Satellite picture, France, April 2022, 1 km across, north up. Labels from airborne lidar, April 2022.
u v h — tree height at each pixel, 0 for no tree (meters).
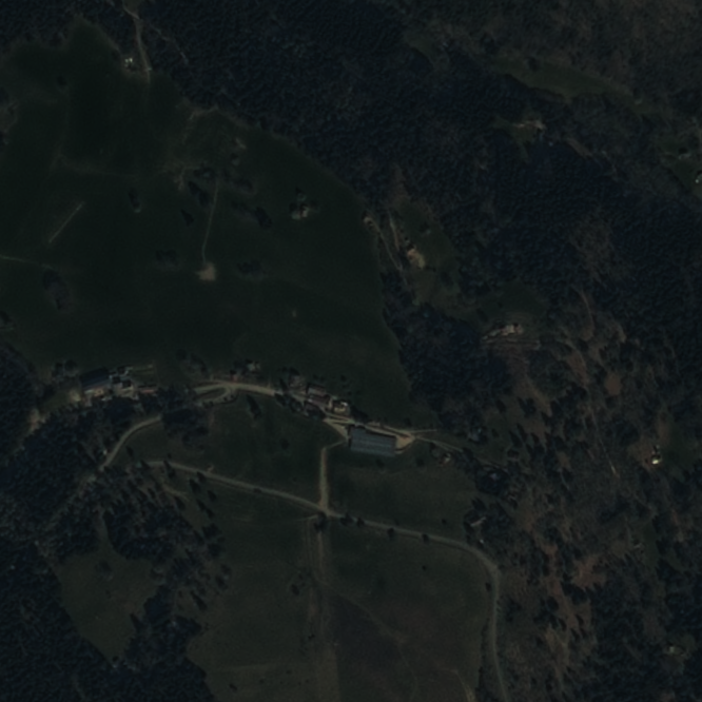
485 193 26
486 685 11
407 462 0
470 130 30
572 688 20
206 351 0
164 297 0
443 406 21
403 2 29
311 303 0
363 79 27
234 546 0
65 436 22
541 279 21
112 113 0
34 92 0
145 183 0
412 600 0
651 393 16
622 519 10
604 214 29
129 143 0
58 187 0
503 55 9
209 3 33
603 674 23
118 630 0
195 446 20
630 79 24
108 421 20
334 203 0
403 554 0
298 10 33
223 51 38
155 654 16
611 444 19
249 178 0
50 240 0
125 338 0
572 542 10
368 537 0
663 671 22
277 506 0
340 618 0
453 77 26
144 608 0
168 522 22
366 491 0
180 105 0
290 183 0
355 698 0
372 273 0
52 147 0
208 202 23
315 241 0
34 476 28
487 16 17
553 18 17
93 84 0
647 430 7
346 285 0
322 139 29
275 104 31
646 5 16
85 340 0
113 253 0
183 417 28
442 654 0
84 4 24
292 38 36
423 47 0
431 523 0
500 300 0
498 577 0
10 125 0
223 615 0
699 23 15
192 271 0
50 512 27
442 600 0
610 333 13
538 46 30
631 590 18
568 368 17
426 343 26
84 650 25
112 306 0
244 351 0
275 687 0
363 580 0
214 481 0
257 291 0
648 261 32
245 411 0
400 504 0
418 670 0
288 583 0
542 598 9
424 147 31
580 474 19
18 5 27
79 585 0
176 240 0
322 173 0
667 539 10
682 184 17
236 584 0
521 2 11
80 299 0
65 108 0
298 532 0
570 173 31
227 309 0
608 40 17
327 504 0
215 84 27
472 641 0
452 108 32
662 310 31
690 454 0
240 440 0
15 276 0
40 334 0
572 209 34
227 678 0
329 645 0
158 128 0
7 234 0
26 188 0
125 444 0
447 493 0
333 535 0
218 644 0
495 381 26
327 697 0
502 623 10
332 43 32
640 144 30
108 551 0
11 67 0
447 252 0
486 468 19
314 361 0
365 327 0
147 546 18
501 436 12
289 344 0
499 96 38
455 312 0
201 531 0
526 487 14
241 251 0
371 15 31
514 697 9
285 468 0
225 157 0
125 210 0
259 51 35
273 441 0
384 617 0
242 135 0
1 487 28
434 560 0
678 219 32
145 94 0
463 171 32
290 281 0
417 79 28
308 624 0
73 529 29
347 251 0
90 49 0
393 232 9
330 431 0
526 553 11
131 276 0
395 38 23
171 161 0
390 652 0
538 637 8
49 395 18
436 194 30
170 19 30
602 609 20
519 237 28
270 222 22
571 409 18
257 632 0
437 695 0
